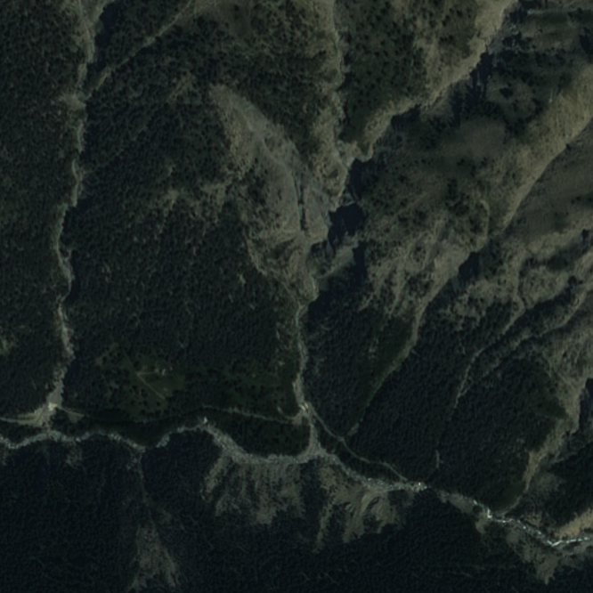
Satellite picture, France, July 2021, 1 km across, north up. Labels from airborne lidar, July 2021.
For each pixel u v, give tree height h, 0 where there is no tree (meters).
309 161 7
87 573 22
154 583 7
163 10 15
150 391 0
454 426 11
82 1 0
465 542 11
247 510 5
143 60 9
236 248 9
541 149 0
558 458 0
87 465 19
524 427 10
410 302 8
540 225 0
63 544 21
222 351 15
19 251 12
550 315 13
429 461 16
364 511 0
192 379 14
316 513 6
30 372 14
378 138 0
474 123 0
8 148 10
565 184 0
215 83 15
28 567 22
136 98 10
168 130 15
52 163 11
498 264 7
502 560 10
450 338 17
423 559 15
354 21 0
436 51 0
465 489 12
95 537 24
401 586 23
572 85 0
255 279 9
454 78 0
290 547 12
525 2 0
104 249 10
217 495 11
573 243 0
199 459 18
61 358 11
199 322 17
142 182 10
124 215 9
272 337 6
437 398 17
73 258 10
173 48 9
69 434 7
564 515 9
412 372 13
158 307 17
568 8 0
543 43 0
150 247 16
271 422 6
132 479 16
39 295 17
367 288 10
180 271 15
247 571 18
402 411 17
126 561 11
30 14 14
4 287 12
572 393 0
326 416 5
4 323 8
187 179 8
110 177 13
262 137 0
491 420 16
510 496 0
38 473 7
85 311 11
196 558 12
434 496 8
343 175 0
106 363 8
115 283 10
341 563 17
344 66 0
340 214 0
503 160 0
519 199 0
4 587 22
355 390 12
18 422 7
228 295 16
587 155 0
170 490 19
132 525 17
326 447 8
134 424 18
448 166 0
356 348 14
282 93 8
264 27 7
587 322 0
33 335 7
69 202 15
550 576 0
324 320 10
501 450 9
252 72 15
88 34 0
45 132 9
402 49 12
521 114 0
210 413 11
